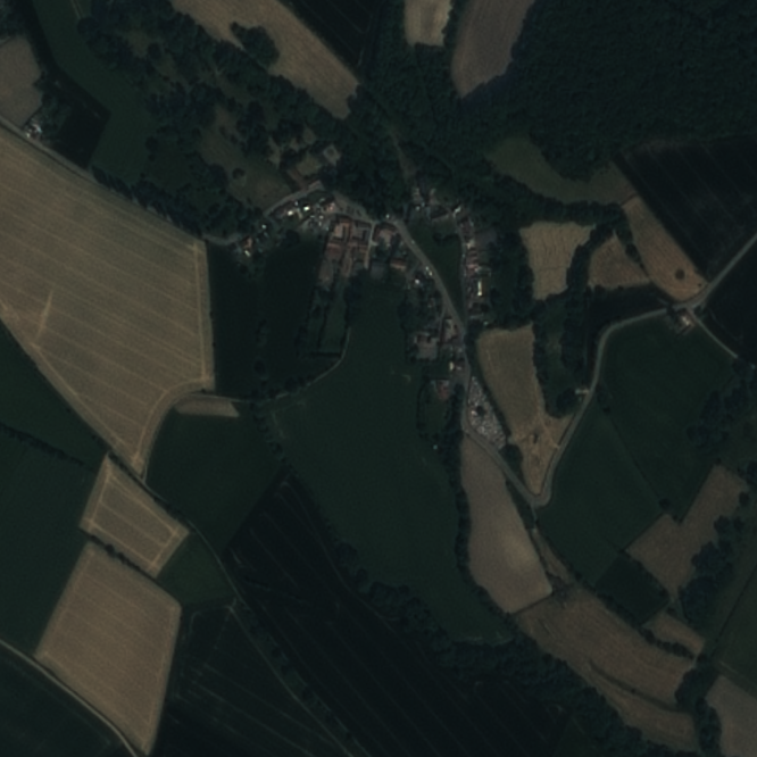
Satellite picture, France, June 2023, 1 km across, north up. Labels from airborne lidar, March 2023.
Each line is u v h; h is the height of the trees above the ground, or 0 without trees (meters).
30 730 0
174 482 0
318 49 0
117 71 23
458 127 24
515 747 0
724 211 0
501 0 0
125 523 0
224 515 0
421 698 0
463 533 9
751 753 0
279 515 0
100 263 0
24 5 0
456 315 0
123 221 0
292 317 0
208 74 24
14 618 0
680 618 0
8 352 0
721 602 0
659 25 24
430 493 0
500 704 0
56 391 0
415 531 0
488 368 0
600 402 11
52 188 0
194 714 0
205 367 0
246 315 0
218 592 0
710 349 0
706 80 27
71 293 0
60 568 0
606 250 0
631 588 0
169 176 0
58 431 0
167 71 0
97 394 0
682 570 0
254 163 0
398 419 0
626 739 25
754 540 0
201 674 0
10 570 0
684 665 0
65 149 0
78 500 0
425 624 14
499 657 16
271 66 0
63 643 0
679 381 0
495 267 17
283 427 0
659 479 0
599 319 0
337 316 0
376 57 17
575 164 19
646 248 0
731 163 0
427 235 0
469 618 0
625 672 0
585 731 0
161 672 0
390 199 15
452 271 0
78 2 0
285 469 0
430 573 0
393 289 0
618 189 0
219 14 0
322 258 0
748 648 0
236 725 0
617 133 22
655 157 0
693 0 31
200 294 0
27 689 0
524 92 27
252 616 7
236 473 0
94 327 0
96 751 0
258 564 0
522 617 0
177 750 0
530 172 0
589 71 29
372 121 20
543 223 0
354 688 0
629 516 0
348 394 0
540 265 0
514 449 11
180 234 0
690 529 0
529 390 0
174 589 0
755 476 18
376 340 0
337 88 0
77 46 0
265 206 0
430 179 17
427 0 0
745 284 0
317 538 0
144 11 27
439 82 15
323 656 0
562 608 0
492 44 0
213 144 0
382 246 12
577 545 0
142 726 0
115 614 0
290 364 0
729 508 0
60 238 0
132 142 0
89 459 0
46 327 0
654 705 0
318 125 28
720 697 0
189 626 0
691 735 0
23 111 0
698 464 0
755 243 0
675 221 0
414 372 0
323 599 0
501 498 0
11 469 0
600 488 0
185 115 32
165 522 0
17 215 0
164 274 0
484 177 7
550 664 16
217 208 10
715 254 0
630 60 27
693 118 27
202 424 0
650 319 0
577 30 27
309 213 0
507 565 0
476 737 0
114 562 0
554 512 0
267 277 0
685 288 0
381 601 17
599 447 0
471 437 0
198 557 0
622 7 25
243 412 0
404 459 0
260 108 14
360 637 0
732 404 20
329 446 0
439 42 0
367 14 0
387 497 0
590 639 0
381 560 0
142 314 0
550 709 0
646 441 0
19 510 0
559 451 0
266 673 0
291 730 0
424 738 0
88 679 0
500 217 17
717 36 24
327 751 0
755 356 0
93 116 0
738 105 23
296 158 8
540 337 18
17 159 0
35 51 6
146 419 0
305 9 0
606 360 0
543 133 25
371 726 0
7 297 0
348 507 0
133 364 0
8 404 0
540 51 25
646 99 27
